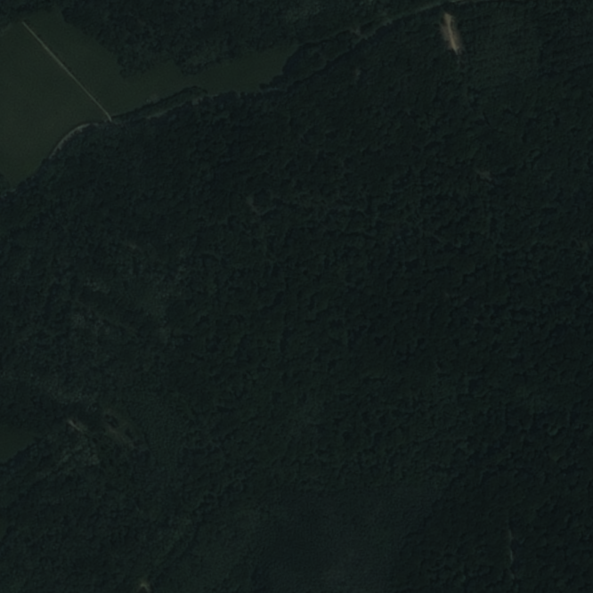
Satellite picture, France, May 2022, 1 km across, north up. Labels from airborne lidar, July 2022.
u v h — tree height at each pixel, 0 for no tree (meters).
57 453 24
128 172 27
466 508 28
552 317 26
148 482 20
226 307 24
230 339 22
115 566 26
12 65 0
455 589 29
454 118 28
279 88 23
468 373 21
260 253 23
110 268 20
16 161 0
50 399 27
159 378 26
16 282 27
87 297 29
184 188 25
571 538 25
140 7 29
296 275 27
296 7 27
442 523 28
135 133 26
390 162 29
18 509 22
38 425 27
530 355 24
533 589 27
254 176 25
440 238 24
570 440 28
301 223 27
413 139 27
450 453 23
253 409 24
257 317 25
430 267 26
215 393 22
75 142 19
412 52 24
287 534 23
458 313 28
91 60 0
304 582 24
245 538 24
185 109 17
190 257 15
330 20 25
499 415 27
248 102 26
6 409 23
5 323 21
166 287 23
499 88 24
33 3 22
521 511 25
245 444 24
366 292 28
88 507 30
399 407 30
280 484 21
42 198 26
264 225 16
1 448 0
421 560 24
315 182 27
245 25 29
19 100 0
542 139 23
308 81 22
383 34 22
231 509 26
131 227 25
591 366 15
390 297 27
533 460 28
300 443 22
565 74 21
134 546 27
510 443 30
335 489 20
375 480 21
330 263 17
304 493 23
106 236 23
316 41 16
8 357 28
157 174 26
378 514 23
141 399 18
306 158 24
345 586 24
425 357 24
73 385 23
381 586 19
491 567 24
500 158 26
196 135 28
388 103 28
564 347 27
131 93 0
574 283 27
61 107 0
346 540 22
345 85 19
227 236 22
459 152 24
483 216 20
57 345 22
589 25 25
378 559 19
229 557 26
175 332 17
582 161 24
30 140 0
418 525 18
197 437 7
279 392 22
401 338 26
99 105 0
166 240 23
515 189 23
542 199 29
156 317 21
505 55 19
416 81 25
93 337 26
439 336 24
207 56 26
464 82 19
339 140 22
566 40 21
